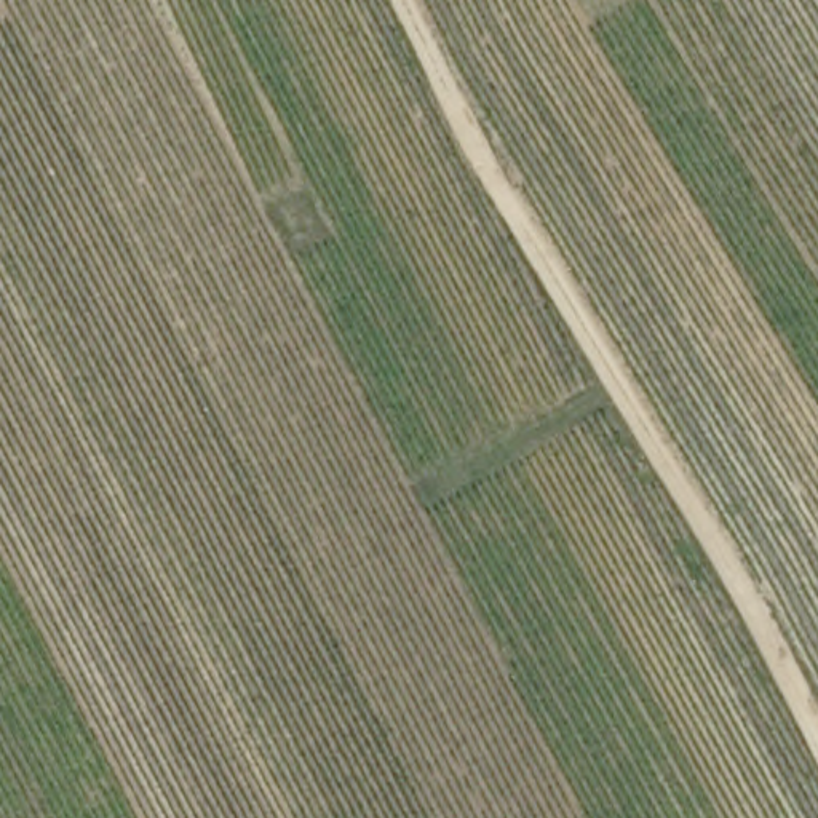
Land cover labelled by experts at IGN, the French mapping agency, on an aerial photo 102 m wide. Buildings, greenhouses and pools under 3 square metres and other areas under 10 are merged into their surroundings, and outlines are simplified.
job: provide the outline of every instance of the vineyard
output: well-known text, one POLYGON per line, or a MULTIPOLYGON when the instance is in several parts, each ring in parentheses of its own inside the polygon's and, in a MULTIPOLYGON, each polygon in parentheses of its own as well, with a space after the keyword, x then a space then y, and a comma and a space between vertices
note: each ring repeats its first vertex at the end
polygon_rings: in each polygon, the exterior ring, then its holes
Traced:
POLYGON ((818 760, 780 684, 773 681, 735 598, 719 578, 716 566, 709 562, 703 543, 697 540, 690 521, 684 518, 681 505, 661 482, 661 476, 655 473, 639 441, 633 438, 626 419, 614 406, 598 371, 575 342, 559 307, 553 304, 543 278, 524 256, 508 220, 495 208, 492 195, 482 189, 470 160, 463 157, 425 77, 425 67, 390 0, 0 0, 0 818, 818 818, 818 760))
POLYGON ((770 620, 789 645, 789 655, 799 674, 805 677, 812 703, 818 709, 818 0, 419 0, 438 35, 441 54, 454 67, 460 89, 470 96, 479 131, 505 182, 524 198, 534 220, 553 243, 572 284, 578 288, 610 348, 623 361, 629 380, 642 393, 668 444, 677 451, 703 502, 713 508, 719 527, 729 534, 748 578, 770 582, 770 620))

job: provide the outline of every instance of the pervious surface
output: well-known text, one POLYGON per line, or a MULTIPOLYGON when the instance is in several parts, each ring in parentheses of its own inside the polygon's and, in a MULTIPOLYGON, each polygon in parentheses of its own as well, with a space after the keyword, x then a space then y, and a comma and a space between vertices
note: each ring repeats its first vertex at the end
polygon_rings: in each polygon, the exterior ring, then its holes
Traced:
POLYGON ((610 348, 578 288, 572 284, 553 243, 534 220, 524 198, 505 182, 479 131, 470 96, 460 89, 454 67, 441 54, 438 35, 419 0, 390 0, 425 67, 425 77, 463 157, 470 160, 482 189, 492 195, 495 208, 508 220, 524 256, 543 278, 553 304, 559 307, 575 342, 598 371, 614 406, 626 419, 633 438, 639 441, 655 473, 661 476, 661 482, 681 505, 684 518, 690 521, 697 540, 703 543, 709 562, 716 566, 719 578, 735 598, 773 681, 780 684, 818 760, 818 709, 812 703, 805 677, 799 674, 789 655, 789 645, 770 620, 770 582, 748 578, 729 534, 719 527, 713 508, 703 502, 677 451, 668 444, 642 393, 629 380, 623 361, 610 348))

